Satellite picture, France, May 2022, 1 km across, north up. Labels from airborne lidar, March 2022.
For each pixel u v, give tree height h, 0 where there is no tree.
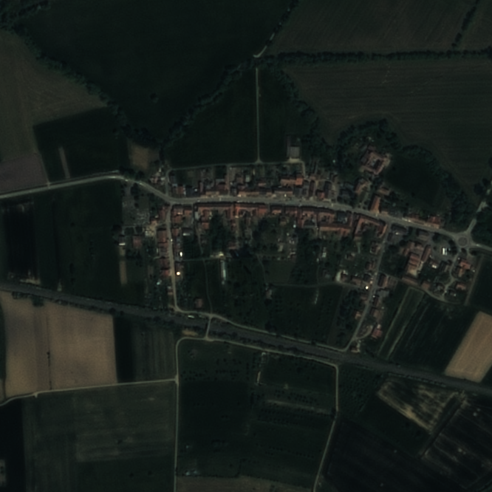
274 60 18
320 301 0
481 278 0
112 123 0
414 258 0
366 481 0
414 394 0
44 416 0
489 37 0
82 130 0
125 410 0
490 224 0
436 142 0
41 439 0
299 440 0
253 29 0
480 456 0
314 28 0
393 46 0
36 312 0
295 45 0
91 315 0
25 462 0
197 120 0
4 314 0
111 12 0
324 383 0
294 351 14
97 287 0
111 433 0
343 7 0
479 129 0
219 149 0
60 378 0
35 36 0
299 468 0
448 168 0
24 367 0
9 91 0
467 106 0
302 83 0
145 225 0
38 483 0
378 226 0
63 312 0
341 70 0
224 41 0
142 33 0
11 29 19
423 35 0
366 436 0
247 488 0
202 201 0
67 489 0
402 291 0
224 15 0
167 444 0
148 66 0
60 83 0
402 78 0
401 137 0
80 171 0
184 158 0
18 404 0
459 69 0
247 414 0
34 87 0
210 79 0
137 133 13
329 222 0
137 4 0
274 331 13
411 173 0
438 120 0
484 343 0
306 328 0
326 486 0
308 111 17
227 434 0
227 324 8
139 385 0
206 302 0
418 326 0
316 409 0
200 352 0
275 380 0
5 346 0
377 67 0
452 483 0
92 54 0
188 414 0
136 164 0
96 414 0
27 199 0
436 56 13
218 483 0
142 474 0
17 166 0
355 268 0
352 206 13
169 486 0
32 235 0
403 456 0
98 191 0
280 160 0
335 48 0
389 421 0
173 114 0
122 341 0
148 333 0
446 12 0
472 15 15
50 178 0
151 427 0
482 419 0
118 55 0
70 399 0
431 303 0
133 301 0
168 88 0
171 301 0
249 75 0
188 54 0
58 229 0
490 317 0
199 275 0
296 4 15
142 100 0
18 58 0
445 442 0
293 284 0
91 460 0
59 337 0
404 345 0
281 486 0
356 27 0
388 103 0
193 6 0
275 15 0
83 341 0
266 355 0
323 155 6
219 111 0
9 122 0
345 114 0
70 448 0
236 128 0
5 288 0
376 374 0
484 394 0
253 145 0
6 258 0
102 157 0
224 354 0
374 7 0
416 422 0
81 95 0
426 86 0
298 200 0
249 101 0
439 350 0
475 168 0
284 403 0
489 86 0
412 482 0
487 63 0
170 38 0
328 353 0
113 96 0
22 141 0
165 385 0
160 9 0
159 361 0
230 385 0
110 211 0
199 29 0
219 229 7
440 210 0
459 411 0
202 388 0
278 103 0
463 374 0
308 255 9
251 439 0
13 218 0
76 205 0
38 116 0
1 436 0
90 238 0
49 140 0
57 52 0
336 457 0
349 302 7
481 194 29
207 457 0
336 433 0
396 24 0
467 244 0
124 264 0
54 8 0
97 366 0
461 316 0
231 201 0
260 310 0
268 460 0
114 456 0
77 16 0
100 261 0
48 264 0
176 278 0
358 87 0
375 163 0
